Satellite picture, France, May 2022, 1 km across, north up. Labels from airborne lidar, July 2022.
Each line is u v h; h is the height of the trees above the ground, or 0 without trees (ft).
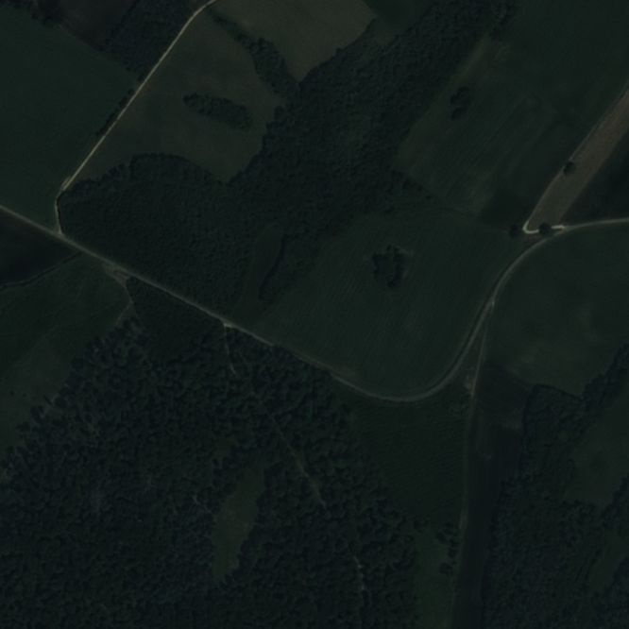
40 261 0
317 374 73
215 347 86
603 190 0
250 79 0
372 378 0
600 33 0
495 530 62
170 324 41
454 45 74
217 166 0
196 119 0
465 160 0
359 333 0
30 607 94
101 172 0
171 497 58
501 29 57
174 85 0
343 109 43
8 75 0
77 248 0
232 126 52
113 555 84
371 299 0
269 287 57
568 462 62
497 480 0
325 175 74
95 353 103
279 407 100
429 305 0
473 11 43
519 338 0
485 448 0
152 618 93
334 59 25
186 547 75
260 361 85
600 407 74
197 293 46
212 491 81
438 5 46
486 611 58
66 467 112
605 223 0
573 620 74
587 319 0
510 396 0
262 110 0
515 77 0
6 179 0
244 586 74
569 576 27
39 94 0
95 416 109
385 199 67
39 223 0
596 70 0
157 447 83
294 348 0
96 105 0
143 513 57
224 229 50
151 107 0
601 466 0
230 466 79
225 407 98
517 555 95
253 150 0
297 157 49
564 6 0
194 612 84
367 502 111
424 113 45
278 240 0
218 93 0
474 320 0
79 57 0
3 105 0
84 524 92
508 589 91
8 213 0
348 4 0
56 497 95
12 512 108
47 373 0
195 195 51
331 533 86
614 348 0
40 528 91
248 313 0
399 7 0
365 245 0
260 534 81
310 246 65
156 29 70
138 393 105
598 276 0
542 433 98
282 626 93
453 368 0
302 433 101
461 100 52
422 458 17
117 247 50
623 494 53
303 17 0
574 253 0
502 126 0
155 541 70
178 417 94
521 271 0
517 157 0
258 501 0
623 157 0
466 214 0
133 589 127
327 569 83
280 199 69
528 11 0
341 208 70
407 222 0
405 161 0
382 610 81
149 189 44
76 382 92
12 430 0
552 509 90
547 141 0
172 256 47
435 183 0
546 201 0
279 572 87
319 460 88
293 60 0
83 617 98
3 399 0
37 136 0
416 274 0
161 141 0
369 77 31
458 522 18
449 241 0
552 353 0
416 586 47
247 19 0
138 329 92
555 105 0
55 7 0
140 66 40
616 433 0
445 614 0
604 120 0
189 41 0
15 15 0
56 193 0
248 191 69
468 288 0
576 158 0
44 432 103
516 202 0
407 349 0
